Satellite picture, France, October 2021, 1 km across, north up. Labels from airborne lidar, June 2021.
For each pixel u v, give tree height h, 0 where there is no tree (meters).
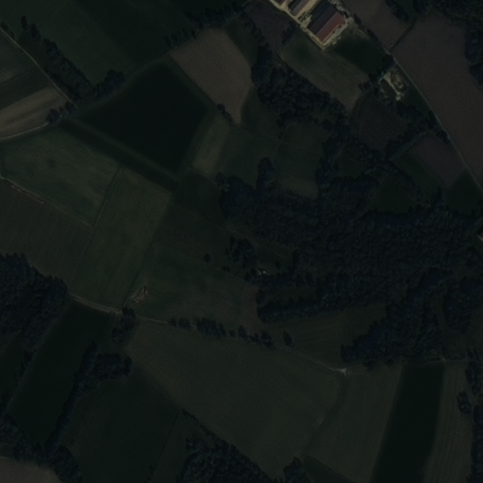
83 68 0
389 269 25
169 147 0
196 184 0
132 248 0
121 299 0
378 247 22
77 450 0
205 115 0
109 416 0
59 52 15
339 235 22
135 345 0
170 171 0
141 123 0
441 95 0
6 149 0
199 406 0
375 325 0
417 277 20
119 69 0
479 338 0
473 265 26
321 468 0
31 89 0
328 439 0
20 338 19
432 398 0
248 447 0
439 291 18
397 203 0
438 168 0
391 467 0
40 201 0
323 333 0
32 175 0
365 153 16
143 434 0
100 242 0
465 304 21
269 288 17
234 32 0
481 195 0
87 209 0
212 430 0
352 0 0
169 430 0
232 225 29
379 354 23
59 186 0
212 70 0
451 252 21
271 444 0
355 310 17
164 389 0
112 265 0
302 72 0
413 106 0
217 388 0
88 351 0
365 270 25
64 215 0
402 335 22
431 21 0
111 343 0
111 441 0
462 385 0
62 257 0
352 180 0
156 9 0
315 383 0
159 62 0
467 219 0
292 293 0
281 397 0
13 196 0
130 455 0
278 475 0
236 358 0
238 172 0
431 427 0
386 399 0
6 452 0
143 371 0
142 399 0
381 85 0
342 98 0
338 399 0
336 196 23
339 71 0
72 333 0
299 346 0
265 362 0
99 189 0
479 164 0
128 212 0
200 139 0
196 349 0
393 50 0
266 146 0
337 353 0
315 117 0
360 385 0
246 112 0
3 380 0
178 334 0
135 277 0
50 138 0
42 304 23
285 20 0
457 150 0
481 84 21
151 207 0
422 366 15
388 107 9
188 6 0
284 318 18
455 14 19
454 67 0
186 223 0
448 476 0
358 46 0
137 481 0
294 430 0
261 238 20
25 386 0
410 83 0
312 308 16
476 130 0
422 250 24
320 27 0
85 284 0
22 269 27
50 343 0
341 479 0
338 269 23
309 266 24
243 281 0
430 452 0
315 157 0
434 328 19
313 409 0
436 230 17
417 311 22
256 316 0
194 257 0
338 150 21
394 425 0
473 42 20
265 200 24
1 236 0
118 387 0
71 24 0
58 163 0
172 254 0
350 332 0
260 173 0
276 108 26
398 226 21
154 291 0
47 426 0
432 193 0
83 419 0
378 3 0
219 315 0
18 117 0
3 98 0
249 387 0
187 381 0
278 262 0
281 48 0
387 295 21
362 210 23
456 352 0
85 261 0
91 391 18
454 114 0
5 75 0
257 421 0
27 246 0
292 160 0
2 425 22
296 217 26
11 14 0
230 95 0
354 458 0
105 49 0
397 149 13
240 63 0
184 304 0
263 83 20
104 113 0
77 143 0
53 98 0
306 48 0
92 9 0
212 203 0
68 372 0
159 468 0
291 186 0
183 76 0
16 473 0
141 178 0
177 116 0
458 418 0
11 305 18
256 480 10
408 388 0
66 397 0
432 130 16
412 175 0
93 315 0
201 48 0
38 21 0
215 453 7
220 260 0
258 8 0
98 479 0
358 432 0
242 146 0
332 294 19
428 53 0
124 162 0
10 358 0
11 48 0
